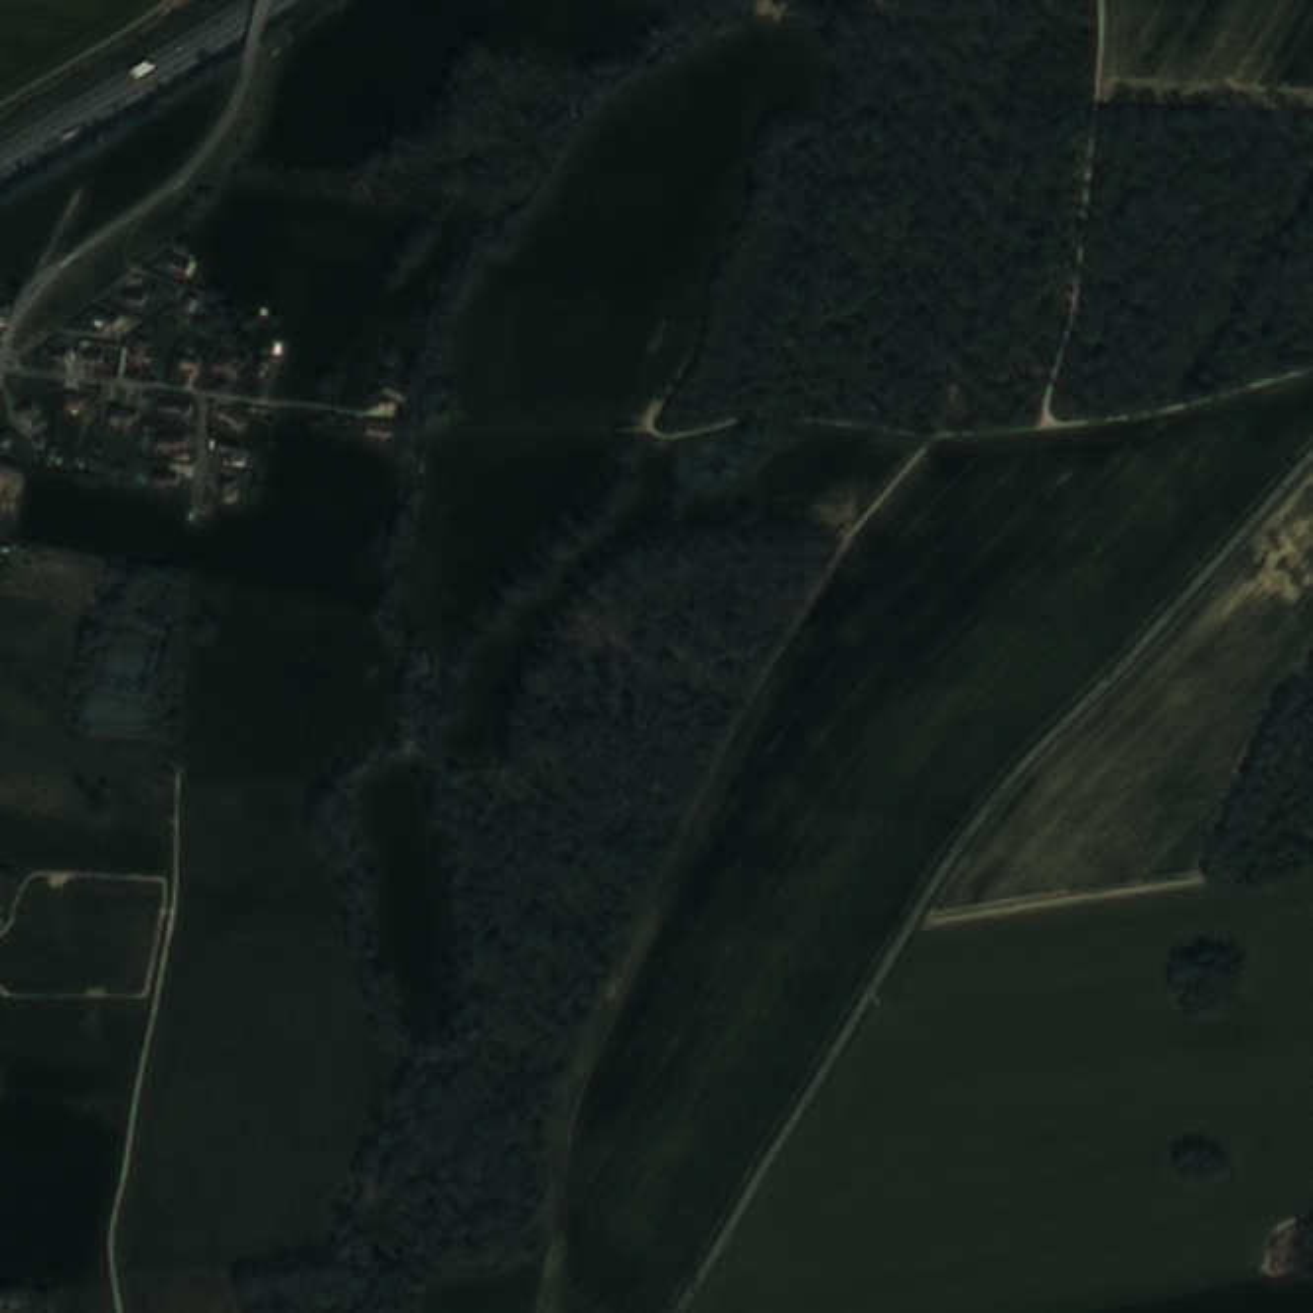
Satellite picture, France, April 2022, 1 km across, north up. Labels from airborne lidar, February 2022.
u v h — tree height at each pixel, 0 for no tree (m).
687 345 0
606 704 28
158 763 0
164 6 0
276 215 0
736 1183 0
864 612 0
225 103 0
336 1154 0
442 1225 27
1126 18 0
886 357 24
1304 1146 0
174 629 15
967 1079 0
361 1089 0
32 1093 0
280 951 0
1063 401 23
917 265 22
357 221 0
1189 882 0
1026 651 0
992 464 0
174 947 0
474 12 0
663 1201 0
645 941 0
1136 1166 0
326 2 0
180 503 0
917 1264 0
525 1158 25
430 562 0
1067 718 0
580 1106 0
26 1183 0
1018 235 25
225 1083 0
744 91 0
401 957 0
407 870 0
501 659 0
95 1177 0
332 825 22
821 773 0
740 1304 0
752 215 12
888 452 0
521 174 23
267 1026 0
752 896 0
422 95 0
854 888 0
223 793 0
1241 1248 0
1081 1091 0
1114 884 0
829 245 27
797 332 23
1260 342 24
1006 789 0
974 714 0
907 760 0
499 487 0
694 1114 0
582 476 0
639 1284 0
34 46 0
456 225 0
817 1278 0
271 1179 0
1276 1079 0
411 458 10
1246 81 0
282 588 0
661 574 28
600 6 0
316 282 0
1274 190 26
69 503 0
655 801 28
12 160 0
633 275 0
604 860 28
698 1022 0
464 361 0
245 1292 22
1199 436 0
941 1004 0
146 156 0
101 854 0
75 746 0
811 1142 0
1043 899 0
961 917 0
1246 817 21
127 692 7
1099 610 0
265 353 0
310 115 0
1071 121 27
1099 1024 0
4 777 0
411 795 0
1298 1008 0
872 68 25
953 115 26
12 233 0
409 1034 17
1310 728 25
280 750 0
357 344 0
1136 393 24
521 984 26
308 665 0
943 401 25
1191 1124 0
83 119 0
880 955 0
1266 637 0
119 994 0
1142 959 0
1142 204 29
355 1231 21
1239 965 17
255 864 0
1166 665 0
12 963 0
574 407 0
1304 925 0
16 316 0
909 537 0
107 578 7
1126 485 0
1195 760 0
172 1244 0
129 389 0
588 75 21
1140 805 0
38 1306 0
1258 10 0
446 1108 28
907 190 22
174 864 0
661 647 31
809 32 0
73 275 0
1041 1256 0
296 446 0
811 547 21
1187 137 26
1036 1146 0
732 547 24
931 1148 0
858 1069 0
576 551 19
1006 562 0
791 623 28
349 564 0
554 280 0
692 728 29
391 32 0
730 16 23
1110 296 28
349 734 0
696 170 0
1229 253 25
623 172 0
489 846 25
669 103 0
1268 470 0
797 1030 0
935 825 0
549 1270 0
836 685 0
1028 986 0
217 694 0
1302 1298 0
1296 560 0
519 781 30
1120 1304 0
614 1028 0
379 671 0
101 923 0
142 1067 0
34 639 0
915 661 0
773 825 0
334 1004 0
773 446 24
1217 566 0
